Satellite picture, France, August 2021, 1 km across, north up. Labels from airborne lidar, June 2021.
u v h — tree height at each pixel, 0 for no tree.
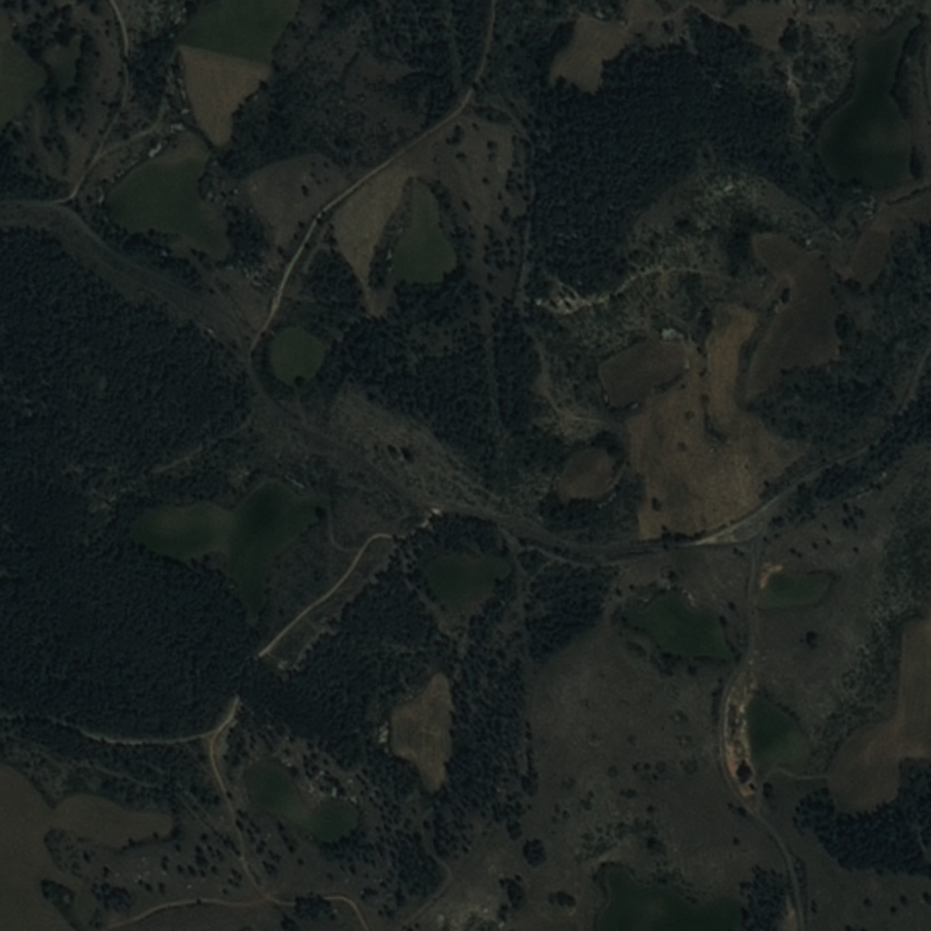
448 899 0
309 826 0
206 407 16
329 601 0
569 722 0
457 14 13
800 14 0
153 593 11
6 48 0
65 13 7
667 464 0
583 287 7
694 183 0
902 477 0
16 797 0
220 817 0
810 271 0
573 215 10
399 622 10
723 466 0
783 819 0
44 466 14
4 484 17
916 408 11
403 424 0
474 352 10
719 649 0
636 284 0
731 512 0
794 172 10
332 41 0
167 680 11
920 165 7
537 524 0
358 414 0
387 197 0
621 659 0
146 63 6
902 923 0
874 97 0
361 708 9
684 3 0
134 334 10
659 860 0
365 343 18
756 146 12
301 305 7
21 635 10
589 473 0
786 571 0
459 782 16
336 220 0
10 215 0
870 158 0
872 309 0
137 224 0
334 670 7
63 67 0
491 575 0
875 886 0
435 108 11
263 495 0
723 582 0
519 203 0
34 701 16
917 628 0
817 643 8
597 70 0
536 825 0
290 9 0
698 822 0
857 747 0
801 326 0
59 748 12
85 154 0
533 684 0
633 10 0
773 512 0
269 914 0
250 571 0
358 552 0
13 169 13
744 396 0
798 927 0
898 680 0
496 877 0
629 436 0
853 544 0
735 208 0
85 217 6
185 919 0
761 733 0
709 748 0
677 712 0
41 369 7
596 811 0
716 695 6
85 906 0
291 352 0
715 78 14
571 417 0
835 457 0
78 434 7
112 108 6
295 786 0
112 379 8
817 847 0
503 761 11
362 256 0
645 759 0
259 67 0
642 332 0
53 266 15
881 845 14
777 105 12
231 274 0
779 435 0
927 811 13
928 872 8
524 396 11
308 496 0
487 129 0
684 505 0
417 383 10
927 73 0
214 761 0
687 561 0
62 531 15
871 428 0
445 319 7
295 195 0
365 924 0
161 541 0
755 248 0
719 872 0
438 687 0
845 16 0
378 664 9
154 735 9
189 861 0
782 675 0
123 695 14
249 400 13
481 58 7
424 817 0
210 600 12
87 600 12
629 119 12
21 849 0
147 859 0
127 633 10
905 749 0
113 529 13
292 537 0
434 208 0
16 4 10
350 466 0
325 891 0
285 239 0
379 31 10
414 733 0
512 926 0
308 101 8
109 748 9
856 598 0
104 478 6
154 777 9
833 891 0
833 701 0
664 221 0
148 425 9
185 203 0
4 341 11
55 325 10
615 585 0
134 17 0
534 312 7
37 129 0
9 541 12
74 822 0
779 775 0
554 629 9
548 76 6
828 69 14
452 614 0
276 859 9
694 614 0
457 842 7
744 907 0
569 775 0
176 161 0
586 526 7
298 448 0
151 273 0
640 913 0
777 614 0
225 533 0
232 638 14
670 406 0
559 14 10
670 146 12
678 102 10
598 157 9
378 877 0
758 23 0
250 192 0
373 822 0
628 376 0
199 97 0
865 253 0
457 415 10
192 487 12
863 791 0
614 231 9
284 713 14
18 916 0
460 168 0
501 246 9
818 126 9
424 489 0
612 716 0
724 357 0
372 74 0
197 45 0
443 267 0
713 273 0
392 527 0
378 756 11
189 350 10
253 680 14
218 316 0
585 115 14
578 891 0
